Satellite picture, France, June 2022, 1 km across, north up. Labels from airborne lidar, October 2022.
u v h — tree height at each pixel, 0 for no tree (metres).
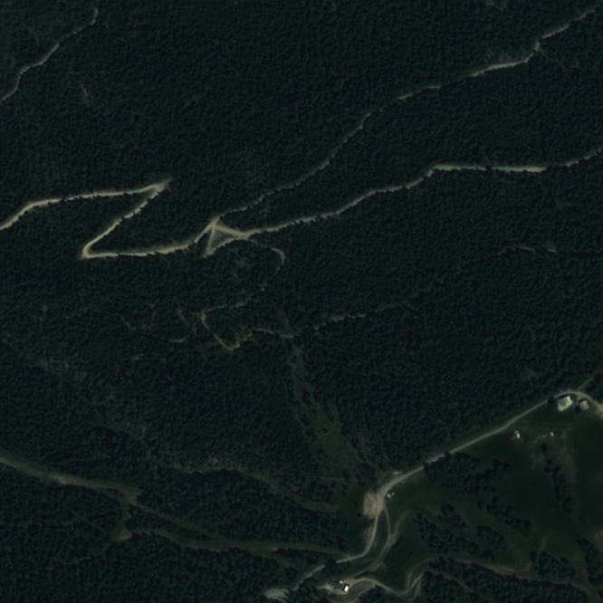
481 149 15
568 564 26
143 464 23
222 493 35
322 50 8
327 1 27
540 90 22
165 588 23
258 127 11
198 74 9
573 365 27
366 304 10
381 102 7
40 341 20
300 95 25
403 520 0
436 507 0
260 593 26
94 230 12
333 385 29
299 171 20
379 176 12
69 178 8
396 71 26
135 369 6
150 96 11
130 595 16
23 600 12
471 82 12
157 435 15
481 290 24
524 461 0
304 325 12
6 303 9
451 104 26
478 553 27
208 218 13
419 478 0
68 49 9
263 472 18
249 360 13
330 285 14
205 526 7
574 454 0
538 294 20
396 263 7
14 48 9
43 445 15
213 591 29
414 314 24
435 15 22
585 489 0
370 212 11
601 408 0
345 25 16
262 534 32
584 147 21
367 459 15
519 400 23
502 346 17
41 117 14
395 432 18
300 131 19
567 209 7
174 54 18
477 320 15
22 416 23
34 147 8
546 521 0
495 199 8
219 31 8
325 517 6
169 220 24
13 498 13
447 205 19
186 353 8
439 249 9
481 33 28
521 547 0
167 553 14
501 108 16
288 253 7
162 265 6
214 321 10
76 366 14
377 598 25
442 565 21
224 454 12
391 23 21
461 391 14
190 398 18
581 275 21
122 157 13
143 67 8
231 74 27
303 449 9
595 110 12
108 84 7
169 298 14
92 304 18
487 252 20
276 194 13
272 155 11
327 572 10
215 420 14
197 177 20
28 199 6
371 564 0
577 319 25
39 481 8
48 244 12
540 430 0
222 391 23
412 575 0
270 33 15
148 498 18
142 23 17
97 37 13
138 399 9
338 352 15
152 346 15
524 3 14
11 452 9
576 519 0
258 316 8
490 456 0
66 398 7
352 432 26
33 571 20
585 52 25
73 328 16
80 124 17
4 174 15
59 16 17
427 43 28
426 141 12
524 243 19
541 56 10
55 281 11
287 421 14
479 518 0
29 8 20
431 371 24
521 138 9
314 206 9
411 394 14
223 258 22
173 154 16
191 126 19
